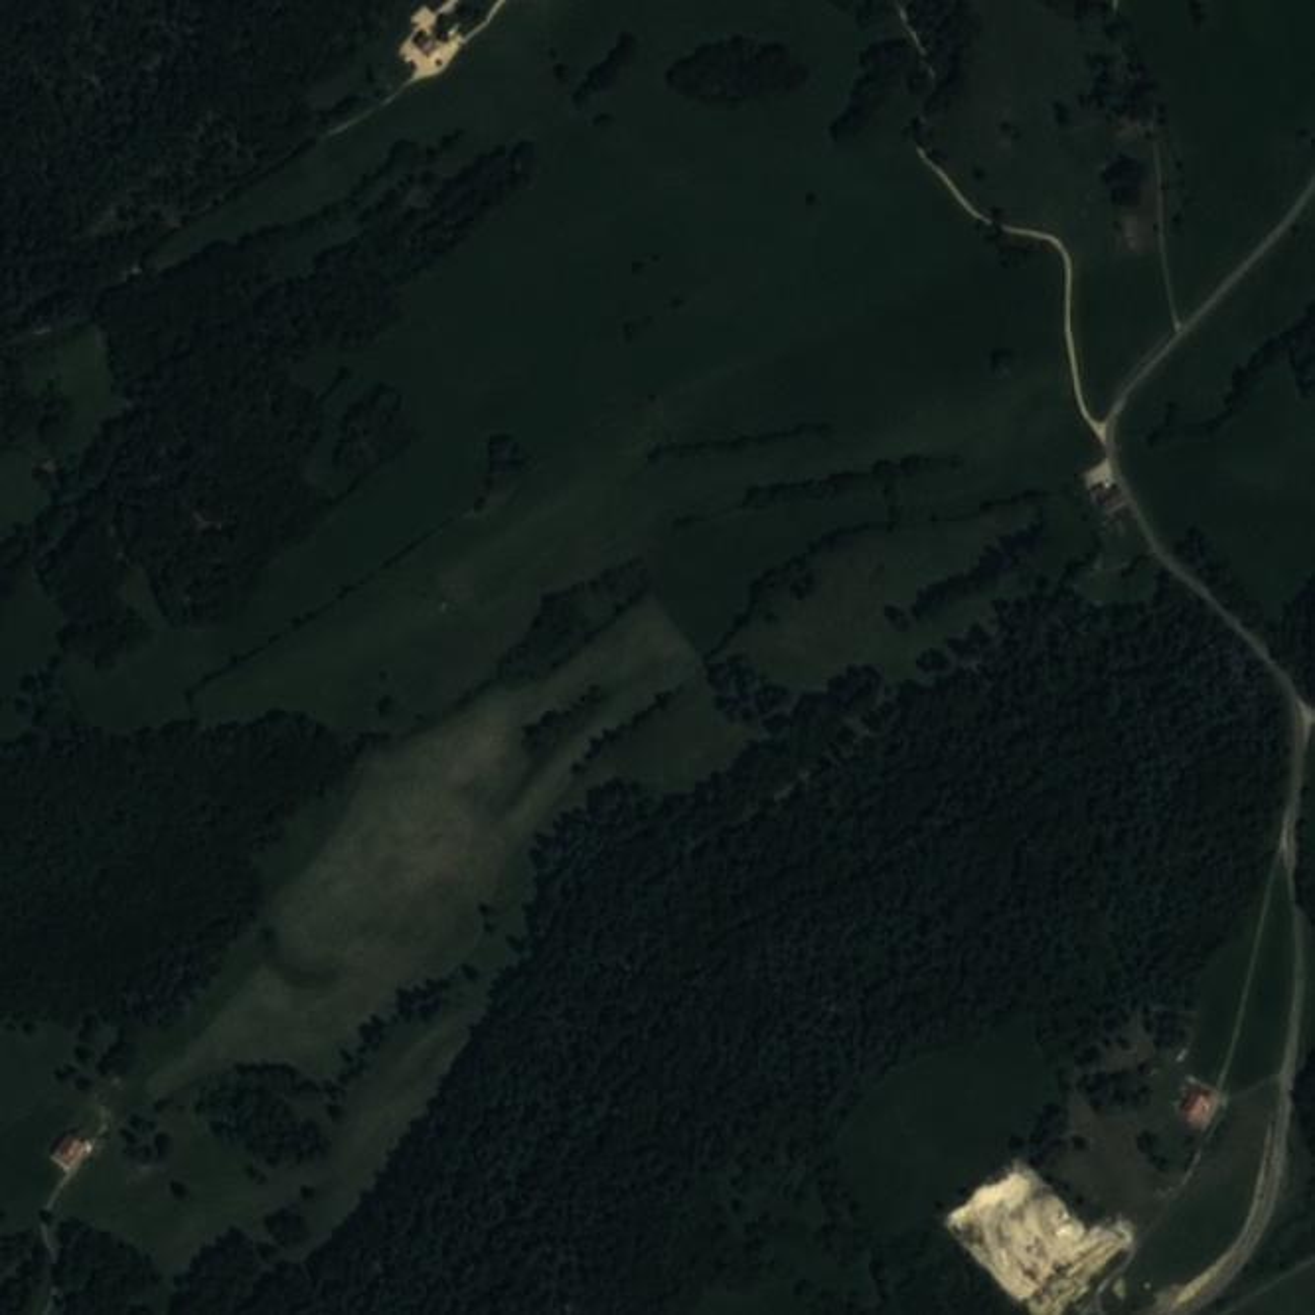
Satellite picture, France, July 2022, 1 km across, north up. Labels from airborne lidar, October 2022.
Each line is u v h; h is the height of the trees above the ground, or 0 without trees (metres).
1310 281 0
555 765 0
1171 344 0
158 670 0
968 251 0
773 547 0
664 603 0
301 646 0
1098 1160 0
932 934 24
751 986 22
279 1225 20
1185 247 0
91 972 17
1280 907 0
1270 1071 0
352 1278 28
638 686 0
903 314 0
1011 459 0
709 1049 23
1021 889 18
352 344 21
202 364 23
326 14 24
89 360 0
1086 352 0
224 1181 0
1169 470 0
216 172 16
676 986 19
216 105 23
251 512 23
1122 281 0
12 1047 0
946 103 12
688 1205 16
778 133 0
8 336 18
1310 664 13
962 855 23
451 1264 22
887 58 20
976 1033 16
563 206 0
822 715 24
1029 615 21
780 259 0
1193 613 17
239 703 0
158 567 24
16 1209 0
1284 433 0
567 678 0
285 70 22
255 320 23
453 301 0
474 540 0
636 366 0
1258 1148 0
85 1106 0
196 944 20
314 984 0
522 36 0
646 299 0
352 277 16
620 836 25
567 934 24
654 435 0
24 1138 0
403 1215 23
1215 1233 0
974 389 0
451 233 22
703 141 0
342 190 0
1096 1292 0
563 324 0
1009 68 0
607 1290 15
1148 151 0
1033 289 0
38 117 19
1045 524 7
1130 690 29
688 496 0
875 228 0
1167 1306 0
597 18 0
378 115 0
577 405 0
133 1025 22
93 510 18
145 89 21
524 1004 22
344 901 0
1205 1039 0
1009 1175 0
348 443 9
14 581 13
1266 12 0
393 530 0
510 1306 27
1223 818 15
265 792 21
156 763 14
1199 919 8
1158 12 0
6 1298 16
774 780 23
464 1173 17
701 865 19
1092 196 0
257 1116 17
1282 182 0
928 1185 0
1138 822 25
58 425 21
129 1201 0
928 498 0
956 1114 0
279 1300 23
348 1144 0
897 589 0
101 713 0
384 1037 25
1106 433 0
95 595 19
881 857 16
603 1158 25
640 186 0
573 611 12
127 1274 17
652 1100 27
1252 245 0
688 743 0
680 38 0
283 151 15
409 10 0
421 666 0
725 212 0
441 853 0
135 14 20
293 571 0
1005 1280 0
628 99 0
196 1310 21
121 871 15
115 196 20
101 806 14
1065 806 23
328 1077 0
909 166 0
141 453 24
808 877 26
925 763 15
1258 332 0
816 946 23
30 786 18
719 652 7
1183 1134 0
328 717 0
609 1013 26
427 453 0
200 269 21
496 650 0
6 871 18
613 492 0
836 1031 23
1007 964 8
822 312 0
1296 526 0
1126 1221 0
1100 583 0
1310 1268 0
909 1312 6
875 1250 7
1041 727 20
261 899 21
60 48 22
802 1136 7
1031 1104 0
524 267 0
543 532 0
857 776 16
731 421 0
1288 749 23
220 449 20
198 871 19
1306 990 0
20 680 0
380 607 0
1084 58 0
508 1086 24
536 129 0
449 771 0
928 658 11
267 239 19
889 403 0
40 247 19
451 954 0
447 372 0
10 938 17
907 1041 24
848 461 0
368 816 0
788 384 0
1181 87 0
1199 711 26
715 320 0
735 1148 21
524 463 18
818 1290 11
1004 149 0
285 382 22
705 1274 8
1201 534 12
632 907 28
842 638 0
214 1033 0
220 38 24
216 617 17
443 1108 23
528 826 0
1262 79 0
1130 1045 19
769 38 0
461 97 0
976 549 0
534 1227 21
